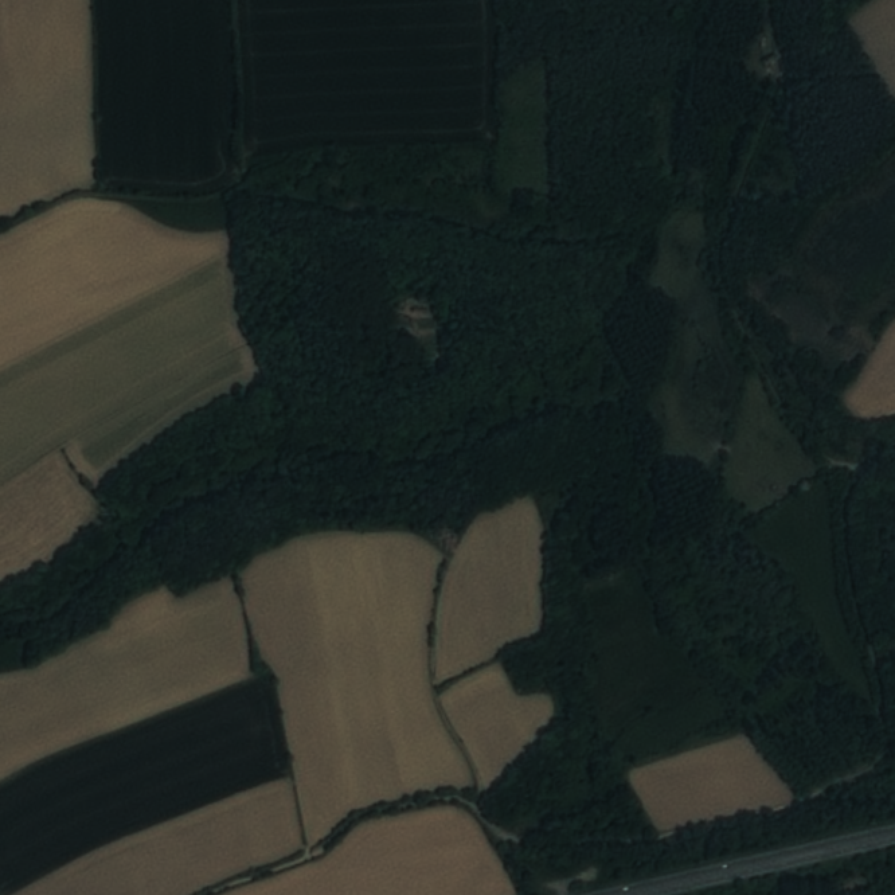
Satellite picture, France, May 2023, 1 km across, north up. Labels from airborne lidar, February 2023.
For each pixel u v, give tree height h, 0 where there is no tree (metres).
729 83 38
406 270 27
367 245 26
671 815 0
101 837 0
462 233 19
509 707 0
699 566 9
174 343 0
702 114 40
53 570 15
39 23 0
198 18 0
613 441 25
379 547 0
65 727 0
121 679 0
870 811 17
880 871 14
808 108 22
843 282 0
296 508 20
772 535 0
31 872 0
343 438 25
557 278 25
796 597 9
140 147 0
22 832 0
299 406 21
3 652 0
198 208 0
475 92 0
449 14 0
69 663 0
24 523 0
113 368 0
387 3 0
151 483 12
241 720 0
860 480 20
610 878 7
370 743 0
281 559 0
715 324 0
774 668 11
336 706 0
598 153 18
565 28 19
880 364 0
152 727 0
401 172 8
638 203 20
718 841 15
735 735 0
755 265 11
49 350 0
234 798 0
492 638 0
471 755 0
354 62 0
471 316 24
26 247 0
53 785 0
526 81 0
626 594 0
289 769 0
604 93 16
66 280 0
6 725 0
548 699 0
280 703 0
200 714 0
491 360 24
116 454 0
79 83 0
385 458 6
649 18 16
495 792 15
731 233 17
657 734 0
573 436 21
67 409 0
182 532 21
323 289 25
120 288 0
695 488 43
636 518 24
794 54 14
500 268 25
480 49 0
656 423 30
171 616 0
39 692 0
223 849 0
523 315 21
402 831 0
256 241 26
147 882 0
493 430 8
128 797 0
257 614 0
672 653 0
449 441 17
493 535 0
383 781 0
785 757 36
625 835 14
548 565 12
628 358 39
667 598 13
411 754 0
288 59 0
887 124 20
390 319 28
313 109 0
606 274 24
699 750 0
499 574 0
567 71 19
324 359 24
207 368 0
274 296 20
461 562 0
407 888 0
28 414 0
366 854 0
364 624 0
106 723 0
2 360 0
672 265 0
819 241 0
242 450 18
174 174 0
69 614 15
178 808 0
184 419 11
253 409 20
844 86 17
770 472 0
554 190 22
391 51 0
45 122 0
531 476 16
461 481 21
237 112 11
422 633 0
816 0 16
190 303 0
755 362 8
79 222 0
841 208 0
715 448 0
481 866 0
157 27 0
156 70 0
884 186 0
